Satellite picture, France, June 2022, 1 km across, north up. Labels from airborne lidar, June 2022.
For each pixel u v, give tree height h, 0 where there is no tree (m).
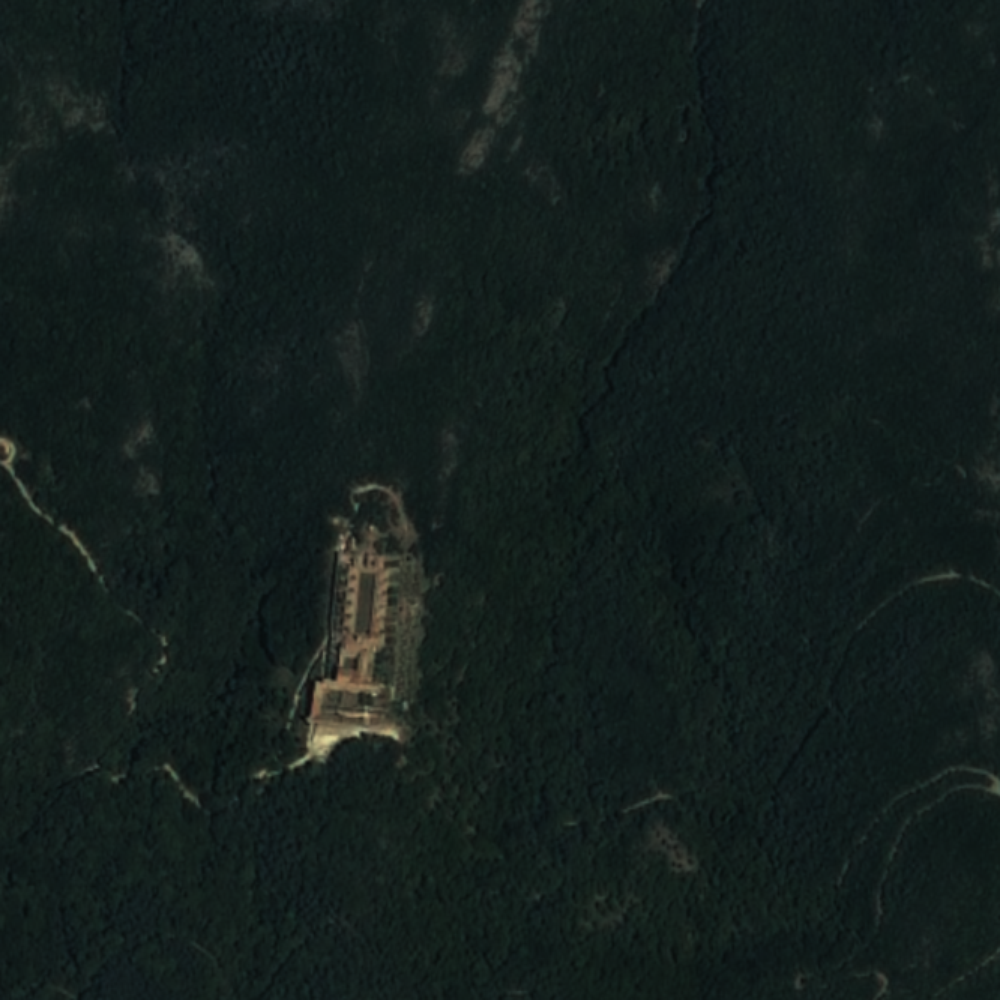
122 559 11
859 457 6
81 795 21
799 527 14
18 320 11
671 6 15
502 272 10
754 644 13
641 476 10
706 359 9
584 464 12
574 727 8
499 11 6
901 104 6
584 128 14
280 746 11
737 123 13
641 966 16
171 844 16
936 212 10
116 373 12
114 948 16
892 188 7
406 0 6
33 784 15
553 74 13
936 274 5
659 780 7
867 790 7
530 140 9
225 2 15
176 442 11
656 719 6
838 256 7
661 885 10
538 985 9
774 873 11
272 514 6
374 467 6
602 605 7
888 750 8
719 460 11
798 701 15
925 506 6
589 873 12
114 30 14
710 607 16
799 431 14
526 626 12
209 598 10
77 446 12
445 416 8
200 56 11
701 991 13
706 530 12
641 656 10
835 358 7
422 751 15
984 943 7
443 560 15
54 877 20
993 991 7
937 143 9
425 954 20
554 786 11
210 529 16
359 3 8
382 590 0
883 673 12
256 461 9
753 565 11
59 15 11
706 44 12
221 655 15
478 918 18
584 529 17
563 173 8
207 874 15
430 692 14
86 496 6
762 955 13
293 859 15
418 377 8
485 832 17
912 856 6
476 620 10
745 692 14
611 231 11
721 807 17
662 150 15
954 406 6
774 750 15
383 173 8
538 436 13
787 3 9
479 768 14
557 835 11
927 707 9
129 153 8
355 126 7
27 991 20
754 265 18
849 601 12
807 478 11
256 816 16
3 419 9
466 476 13
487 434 11
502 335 12
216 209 10
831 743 9
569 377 22
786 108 7
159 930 14
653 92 19
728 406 15
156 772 13
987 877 6
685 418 11
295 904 16
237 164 6
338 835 12
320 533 10
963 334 7
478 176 7
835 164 7
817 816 11
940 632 12
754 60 8
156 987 13
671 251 8
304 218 7
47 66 7
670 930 18
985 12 9
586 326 12
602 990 15
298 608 8
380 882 16
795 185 6
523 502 13
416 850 14
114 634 9
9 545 11
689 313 9
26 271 8
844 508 7
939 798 7
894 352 6
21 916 18
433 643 16
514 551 14
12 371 10
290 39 15
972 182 8
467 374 7
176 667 8
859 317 6
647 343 11
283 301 8
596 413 16
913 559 7
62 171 8
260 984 18
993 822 8
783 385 6
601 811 7
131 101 20
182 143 8
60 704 8
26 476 14
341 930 13
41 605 11
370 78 7
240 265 19
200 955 11
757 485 8
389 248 8
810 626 10
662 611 21
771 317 10
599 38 6
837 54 9
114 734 16
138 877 16
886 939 8
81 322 12
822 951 15
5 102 7
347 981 11
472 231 8
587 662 7
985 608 9
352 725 0
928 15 13
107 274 10
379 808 10
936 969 6
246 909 18
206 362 13
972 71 11
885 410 8
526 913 9
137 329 11
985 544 6
